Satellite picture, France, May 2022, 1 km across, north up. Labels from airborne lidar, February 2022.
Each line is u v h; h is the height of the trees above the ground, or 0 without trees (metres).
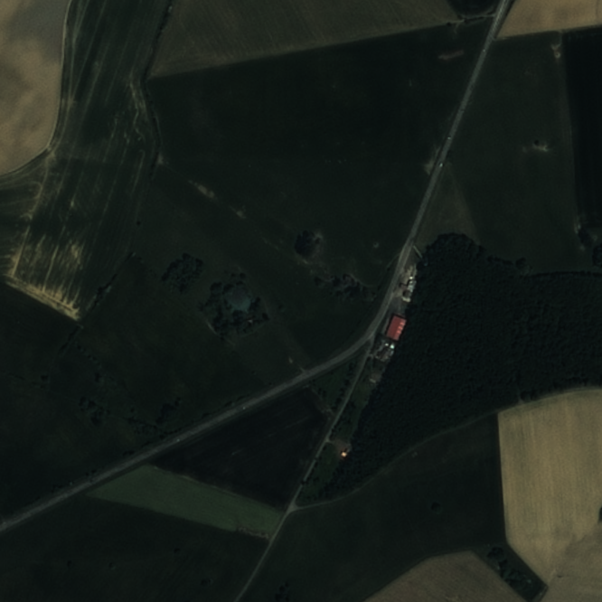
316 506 0
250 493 0
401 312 0
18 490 0
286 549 0
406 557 0
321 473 0
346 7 0
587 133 0
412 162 0
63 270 0
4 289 0
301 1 0
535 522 0
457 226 0
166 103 0
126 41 0
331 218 0
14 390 0
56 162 0
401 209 0
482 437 0
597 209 0
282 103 0
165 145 0
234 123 0
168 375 0
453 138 0
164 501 0
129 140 0
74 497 0
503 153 0
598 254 14
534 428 0
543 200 0
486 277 16
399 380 13
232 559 0
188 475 0
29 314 0
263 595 0
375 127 0
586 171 0
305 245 23
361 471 16
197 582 0
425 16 0
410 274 0
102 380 11
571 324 14
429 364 16
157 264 0
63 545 0
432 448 0
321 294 0
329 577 0
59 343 0
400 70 0
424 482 0
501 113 0
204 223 0
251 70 0
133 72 0
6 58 0
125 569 0
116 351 0
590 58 0
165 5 0
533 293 12
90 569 0
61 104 0
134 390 0
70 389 0
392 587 0
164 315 0
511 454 0
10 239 0
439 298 14
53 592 0
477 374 16
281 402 0
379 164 0
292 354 0
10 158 0
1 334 0
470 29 0
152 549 0
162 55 0
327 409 0
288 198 0
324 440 0
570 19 0
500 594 0
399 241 0
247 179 0
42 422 0
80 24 0
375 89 0
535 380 10
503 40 0
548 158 0
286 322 0
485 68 0
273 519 0
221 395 0
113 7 0
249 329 7
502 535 0
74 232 0
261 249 0
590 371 14
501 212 0
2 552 0
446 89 0
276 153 0
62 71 0
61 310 0
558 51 0
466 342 16
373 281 0
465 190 0
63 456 0
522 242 0
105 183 0
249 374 0
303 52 0
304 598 0
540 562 0
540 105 0
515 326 15
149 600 0
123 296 0
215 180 0
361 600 0
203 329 0
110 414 9
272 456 0
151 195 0
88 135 0
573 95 0
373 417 20
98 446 0
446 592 0
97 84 0
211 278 0
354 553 0
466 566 0
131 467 0
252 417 0
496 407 14
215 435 0
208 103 0
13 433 0
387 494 0
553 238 0
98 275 0
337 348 0
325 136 0
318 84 0
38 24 0
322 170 0
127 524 0
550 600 0
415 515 0
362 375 0
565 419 0
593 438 0
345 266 0
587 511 0
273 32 0
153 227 0
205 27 0
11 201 0
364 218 0
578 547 0
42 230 0
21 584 0
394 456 13
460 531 0
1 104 0
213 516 0
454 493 0
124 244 0
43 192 0
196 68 0
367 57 0
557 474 0
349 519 0
